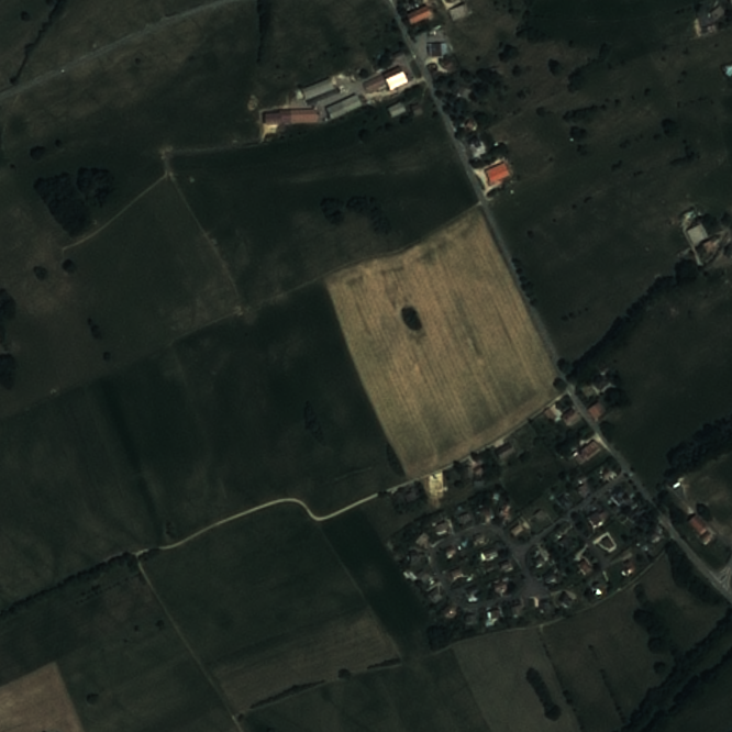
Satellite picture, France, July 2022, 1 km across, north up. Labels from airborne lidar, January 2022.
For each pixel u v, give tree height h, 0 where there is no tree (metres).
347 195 0
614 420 0
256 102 0
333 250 0
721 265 0
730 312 0
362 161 0
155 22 0
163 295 0
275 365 0
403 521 0
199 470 0
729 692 0
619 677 0
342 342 0
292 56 0
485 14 0
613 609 0
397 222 0
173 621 0
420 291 0
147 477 0
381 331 0
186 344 0
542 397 0
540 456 0
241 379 0
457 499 0
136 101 0
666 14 0
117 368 0
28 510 0
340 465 0
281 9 0
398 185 0
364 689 0
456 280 0
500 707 0
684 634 0
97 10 0
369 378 0
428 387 0
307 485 0
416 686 0
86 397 0
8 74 0
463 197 0
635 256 0
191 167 0
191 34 0
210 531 0
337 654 0
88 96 0
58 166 0
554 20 0
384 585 0
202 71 0
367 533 0
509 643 0
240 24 0
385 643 0
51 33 0
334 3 0
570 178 0
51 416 0
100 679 0
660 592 0
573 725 0
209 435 0
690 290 0
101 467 0
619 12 0
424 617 0
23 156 0
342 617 0
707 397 0
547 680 0
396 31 15
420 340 0
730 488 0
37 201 0
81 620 0
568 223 0
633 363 0
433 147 0
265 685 0
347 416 0
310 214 0
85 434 0
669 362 0
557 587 7
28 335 0
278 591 0
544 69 0
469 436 0
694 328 0
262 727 0
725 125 0
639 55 0
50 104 0
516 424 0
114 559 9
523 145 0
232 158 0
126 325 0
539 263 0
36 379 0
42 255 0
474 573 0
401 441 0
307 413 7
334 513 0
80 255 0
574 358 0
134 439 0
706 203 0
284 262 0
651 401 0
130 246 0
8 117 0
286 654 0
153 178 0
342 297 0
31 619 0
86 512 0
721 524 0
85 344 0
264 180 0
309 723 0
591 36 0
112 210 0
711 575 0
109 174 12
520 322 0
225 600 0
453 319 0
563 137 0
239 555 0
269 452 0
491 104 0
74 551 0
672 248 0
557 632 0
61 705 0
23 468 0
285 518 0
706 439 22
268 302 0
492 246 0
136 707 0
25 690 0
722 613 0
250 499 0
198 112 0
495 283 0
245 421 0
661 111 0
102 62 0
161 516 0
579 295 0
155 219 0
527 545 0
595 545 0
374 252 0
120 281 0
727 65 0
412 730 0
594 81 0
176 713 0
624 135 0
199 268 0
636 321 18
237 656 0
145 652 0
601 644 0
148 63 0
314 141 0
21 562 0
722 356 0
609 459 6
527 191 0
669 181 0
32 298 0
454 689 0
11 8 0
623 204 0
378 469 0
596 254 0
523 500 0
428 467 0
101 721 0
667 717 22
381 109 0
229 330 0
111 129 0
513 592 18
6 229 0
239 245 0
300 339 0
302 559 0
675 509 13
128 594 0
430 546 0
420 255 0
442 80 11
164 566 0
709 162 0
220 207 0
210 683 0
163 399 0
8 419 0
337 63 0
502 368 0
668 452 0
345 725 0
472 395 0
